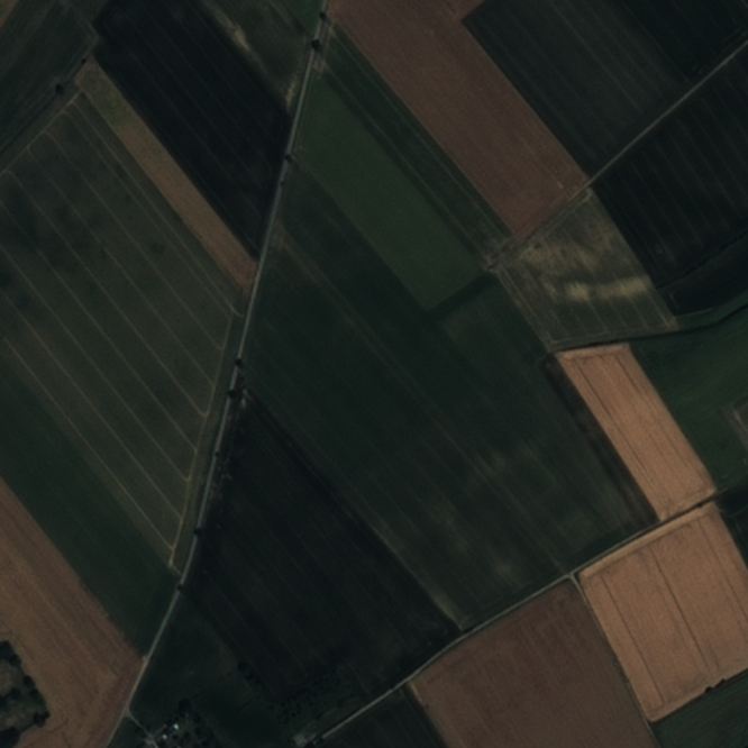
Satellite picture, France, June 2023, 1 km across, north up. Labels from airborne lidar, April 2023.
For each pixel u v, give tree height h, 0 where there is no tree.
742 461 0
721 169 0
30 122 0
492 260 0
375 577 0
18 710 0
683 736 0
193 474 0
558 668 0
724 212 0
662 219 0
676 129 0
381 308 0
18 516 0
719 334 0
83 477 0
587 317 0
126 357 0
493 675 0
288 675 0
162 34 0
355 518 0
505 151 0
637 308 0
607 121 0
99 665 0
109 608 0
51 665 0
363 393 0
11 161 0
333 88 0
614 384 0
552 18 0
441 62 0
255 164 0
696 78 0
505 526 0
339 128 0
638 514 0
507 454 0
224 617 0
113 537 0
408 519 0
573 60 0
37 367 0
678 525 0
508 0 0
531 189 0
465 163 0
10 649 12
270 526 0
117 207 0
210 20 0
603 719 0
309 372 0
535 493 0
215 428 0
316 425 0
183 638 0
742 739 0
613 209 0
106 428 0
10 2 0
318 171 0
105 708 0
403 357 0
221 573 0
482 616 0
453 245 0
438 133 0
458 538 0
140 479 0
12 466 0
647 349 0
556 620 0
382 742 0
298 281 0
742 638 0
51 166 0
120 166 0
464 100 0
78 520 0
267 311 0
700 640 0
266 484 0
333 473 0
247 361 0
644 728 0
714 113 0
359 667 0
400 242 0
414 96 0
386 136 0
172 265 0
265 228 0
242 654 0
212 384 0
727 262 0
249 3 0
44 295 0
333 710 0
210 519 0
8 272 0
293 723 0
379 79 0
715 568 0
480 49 0
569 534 0
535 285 0
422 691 0
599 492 0
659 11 0
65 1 0
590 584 0
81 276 0
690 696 0
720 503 0
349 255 0
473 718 0
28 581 0
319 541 0
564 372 0
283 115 0
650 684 0
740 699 0
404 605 0
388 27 0
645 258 0
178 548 0
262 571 0
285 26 0
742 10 0
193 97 0
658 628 0
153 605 0
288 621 0
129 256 0
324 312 0
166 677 0
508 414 0
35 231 0
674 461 0
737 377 0
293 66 0
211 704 0
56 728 0
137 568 0
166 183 0
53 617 0
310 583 0
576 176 0
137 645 0
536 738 0
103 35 0
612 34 0
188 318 0
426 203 0
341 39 0
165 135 0
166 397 0
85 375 0
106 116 0
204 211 0
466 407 0
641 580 0
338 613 0
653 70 0
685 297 0
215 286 0
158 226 0
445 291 0
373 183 0
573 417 0
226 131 0
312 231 0
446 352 0
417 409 0
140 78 0
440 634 0
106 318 0
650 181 0
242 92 0
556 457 0
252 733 0
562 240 0
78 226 0
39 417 0
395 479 0
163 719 0
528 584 0
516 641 0
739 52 0
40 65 0
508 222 0
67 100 0
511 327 0
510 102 0
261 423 0
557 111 0
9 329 0
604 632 0
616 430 0
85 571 0
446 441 0
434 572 0
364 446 0
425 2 0
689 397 0
